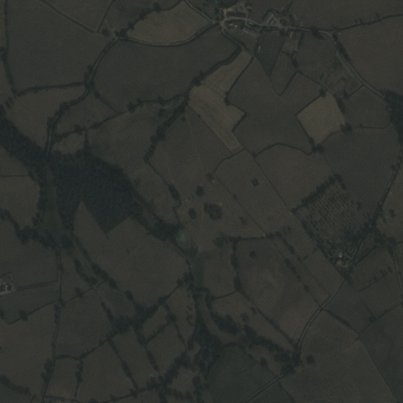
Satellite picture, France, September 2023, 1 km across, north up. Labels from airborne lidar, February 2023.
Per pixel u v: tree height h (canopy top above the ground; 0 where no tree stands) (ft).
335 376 0
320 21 0
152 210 0
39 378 0
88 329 0
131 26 42
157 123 0
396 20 0
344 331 0
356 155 0
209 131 0
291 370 61
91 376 0
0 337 0
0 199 0
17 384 0
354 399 0
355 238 44
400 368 0
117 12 0
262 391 0
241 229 0
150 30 0
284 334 22
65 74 0
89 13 0
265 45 0
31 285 0
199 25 0
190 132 0
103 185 29
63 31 0
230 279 0
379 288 0
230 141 0
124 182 23
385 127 0
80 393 0
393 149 0
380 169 0
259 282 0
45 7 0
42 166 62
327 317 0
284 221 0
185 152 0
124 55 0
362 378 0
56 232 0
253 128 0
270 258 0
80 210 0
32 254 0
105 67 0
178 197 36
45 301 0
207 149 0
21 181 0
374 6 0
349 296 0
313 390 0
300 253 0
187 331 0
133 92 0
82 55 0
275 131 0
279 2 0
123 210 23
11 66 0
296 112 0
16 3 0
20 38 0
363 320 0
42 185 56
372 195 0
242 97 0
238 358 0
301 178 0
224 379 0
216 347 76
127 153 0
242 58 0
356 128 0
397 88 0
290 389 0
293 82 0
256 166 0
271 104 0
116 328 37
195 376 0
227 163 0
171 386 0
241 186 0
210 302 19
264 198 0
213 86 0
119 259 0
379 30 0
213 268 0
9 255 0
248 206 0
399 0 0
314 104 0
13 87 26
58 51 0
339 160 0
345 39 0
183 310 0
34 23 0
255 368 0
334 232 0
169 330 0
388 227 0
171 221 0
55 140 25
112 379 0
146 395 0
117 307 0
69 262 0
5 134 72
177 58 0
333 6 0
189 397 57
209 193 0
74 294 0
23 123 0
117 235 0
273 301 0
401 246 0
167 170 0
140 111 0
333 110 0
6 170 0
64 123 0
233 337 0
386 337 0
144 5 0
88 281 44
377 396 0
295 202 0
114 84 0
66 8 0
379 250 0
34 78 0
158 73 0
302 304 0
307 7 0
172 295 0
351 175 0
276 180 0
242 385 0
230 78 0
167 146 0
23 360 0
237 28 0
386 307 0
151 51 0
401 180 0
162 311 0
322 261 0
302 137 0
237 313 0
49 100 0
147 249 0
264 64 0
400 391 0
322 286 0
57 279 0
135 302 0
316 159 0
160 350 0
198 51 0
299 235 0
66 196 52
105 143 0
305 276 0
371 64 0
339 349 0
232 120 0
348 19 0
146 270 0
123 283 0
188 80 0
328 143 0
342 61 0
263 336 0
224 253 0
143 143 0
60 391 0
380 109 0
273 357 0
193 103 0
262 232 0
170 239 24
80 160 0
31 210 0
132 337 0
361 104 0
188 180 0
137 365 0
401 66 0
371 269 0
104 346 0
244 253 0
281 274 0
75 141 0
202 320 31
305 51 0
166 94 0
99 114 0
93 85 39
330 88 0
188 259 0
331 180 46
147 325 0
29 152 69
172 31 0
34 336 0
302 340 0
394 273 0
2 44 0
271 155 0
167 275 0
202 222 0
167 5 0
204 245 0
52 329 0
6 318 0
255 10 0
